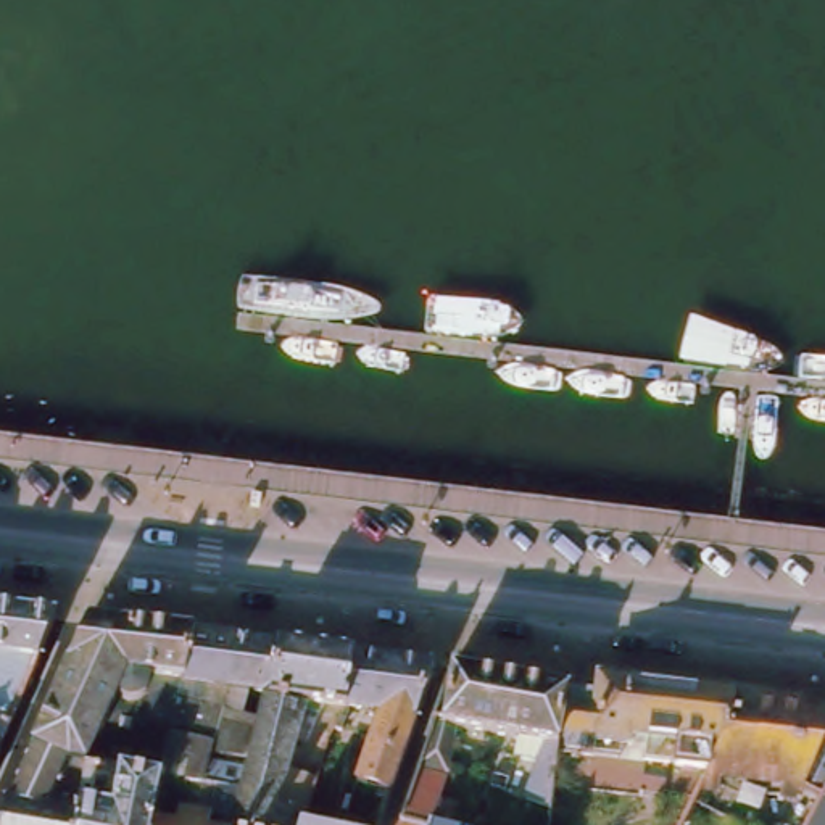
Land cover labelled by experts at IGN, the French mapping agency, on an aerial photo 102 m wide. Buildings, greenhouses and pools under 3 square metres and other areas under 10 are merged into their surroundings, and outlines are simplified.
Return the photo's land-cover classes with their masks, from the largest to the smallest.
<instances>
[{"label":"water","instance_id":"1","mask_svg":"<svg viewBox=\"0 0 825 825\"><path fill-rule=\"evenodd\" d=\"M238 306L261 313H303L313 319H358V325L364 329L403 332H419L429 319L435 332L454 335L516 332L522 345L651 361H674L677 354H683L709 364L751 361L761 374H796L799 380H815V374L825 377V0H0V429L110 445L168 448L184 454H219L245 461H274L300 467H329L380 477H409L461 487L725 516L735 464V438L728 432L735 429V400L722 393V387H709L696 396L693 383H648L645 377H635L628 383L616 374H554L548 367L522 364H506L496 374L480 358L413 351L406 358L403 351L383 348L358 351L354 342L335 348L332 342L287 338L284 348H277L264 335L242 332L235 325ZM757 454L744 464L741 490L744 519L825 529V400L799 403L796 396H780V403L764 406V416L754 419Z\"/></svg>","mask_w":825,"mask_h":825},{"label":"impervious surface","instance_id":"2","mask_svg":"<svg viewBox=\"0 0 825 825\"><path fill-rule=\"evenodd\" d=\"M235 325L242 332L264 335L277 348H284L287 338L332 342L335 348L354 342L358 351L383 348L403 351L406 358L413 351L480 358L496 374L506 364H522L548 367L554 374H616L628 383L635 377H645L648 383H693L696 396L709 387H722V393L735 400V429L728 432L735 438V464L725 516L461 487L409 477H380L329 467H300L274 461H245L219 454H184L168 448L110 445L0 429V593L64 599L71 606V632L84 625H110L126 632L197 638L203 628L216 625L267 632L274 638V648H284L290 641V632L300 628L309 641L316 635H345L351 638V645L416 654L438 651L445 661L448 654L461 661L477 625L483 622V616H490L493 622H519L538 632L583 641L609 638L612 645H622L628 632L632 638H645L654 645L680 641L686 648L709 651L719 657H770L783 667H790L793 657L825 664V529L744 519L741 490L744 464L757 454L754 419L764 416V406L780 403V396H796L799 403L825 400V377L815 374V380H799L796 374H761L751 361L709 364L683 354H677L674 361H651L522 345L516 332L454 335L435 332L429 319L419 332H403L364 329L358 325V319H313L303 313H261L238 306Z\"/></svg>","mask_w":825,"mask_h":825},{"label":"building","instance_id":"3","mask_svg":"<svg viewBox=\"0 0 825 825\"><path fill-rule=\"evenodd\" d=\"M71 606L64 599L0 593V825H361L309 812V793L316 780L325 773L322 748L335 735L348 741L364 725L367 738L358 754L354 777L387 786L396 777L416 719L425 722V744L396 825H458V819L435 815L448 773L474 780L487 777L500 790H512L519 783L541 802H548L554 799V764L574 767L577 761L590 780L609 783L612 796L628 799L648 806L657 799V793H683V799L696 806L703 790L715 796L744 806L790 802L799 825H825V664L793 657L790 667H783L770 657H719L709 651L686 648L680 641L654 645L645 638H632L628 632L622 645H612L609 638L583 641L538 632L519 622H493L490 616H483V622L477 625L461 661L448 654L445 661L438 651L416 654L351 645V638L345 635H316L309 641L300 628L290 632V641L284 648H274V638L267 632L216 625L203 628L197 638L126 632L110 625H84L71 632ZM168 683H180L190 703H197V722L190 725V738L177 764L145 761L139 754H90V741L97 738L100 725H129L135 703L158 696Z\"/></svg>","mask_w":825,"mask_h":825},{"label":"herbaceous vegetation","instance_id":"4","mask_svg":"<svg viewBox=\"0 0 825 825\"><path fill-rule=\"evenodd\" d=\"M197 722V703H190L180 683H168L158 696L135 703L129 725H100L97 738L90 741V754H139L145 761L177 764L190 738V725ZM367 738L364 725L348 741L335 735L322 748L325 773L316 780L309 793V812L361 825H396L425 744V722L416 719L396 777L387 786L354 777L358 754ZM435 815L458 819V825H570L548 802H541L519 783L512 790H500L487 777L474 780L448 773ZM715 796L703 790L696 806L683 799L674 812V825H761L715 812ZM657 799L648 806L628 799L625 812H619L612 825H654Z\"/></svg>","mask_w":825,"mask_h":825},{"label":"deciduous trees","instance_id":"5","mask_svg":"<svg viewBox=\"0 0 825 825\"><path fill-rule=\"evenodd\" d=\"M628 799L612 796L609 783L590 780L577 761L574 767L554 764V799L548 802L570 825H612L619 812H625ZM683 799V793H657V799L654 825H674V812ZM715 812L761 825H799L790 802L744 806L715 796Z\"/></svg>","mask_w":825,"mask_h":825}]
</instances>
